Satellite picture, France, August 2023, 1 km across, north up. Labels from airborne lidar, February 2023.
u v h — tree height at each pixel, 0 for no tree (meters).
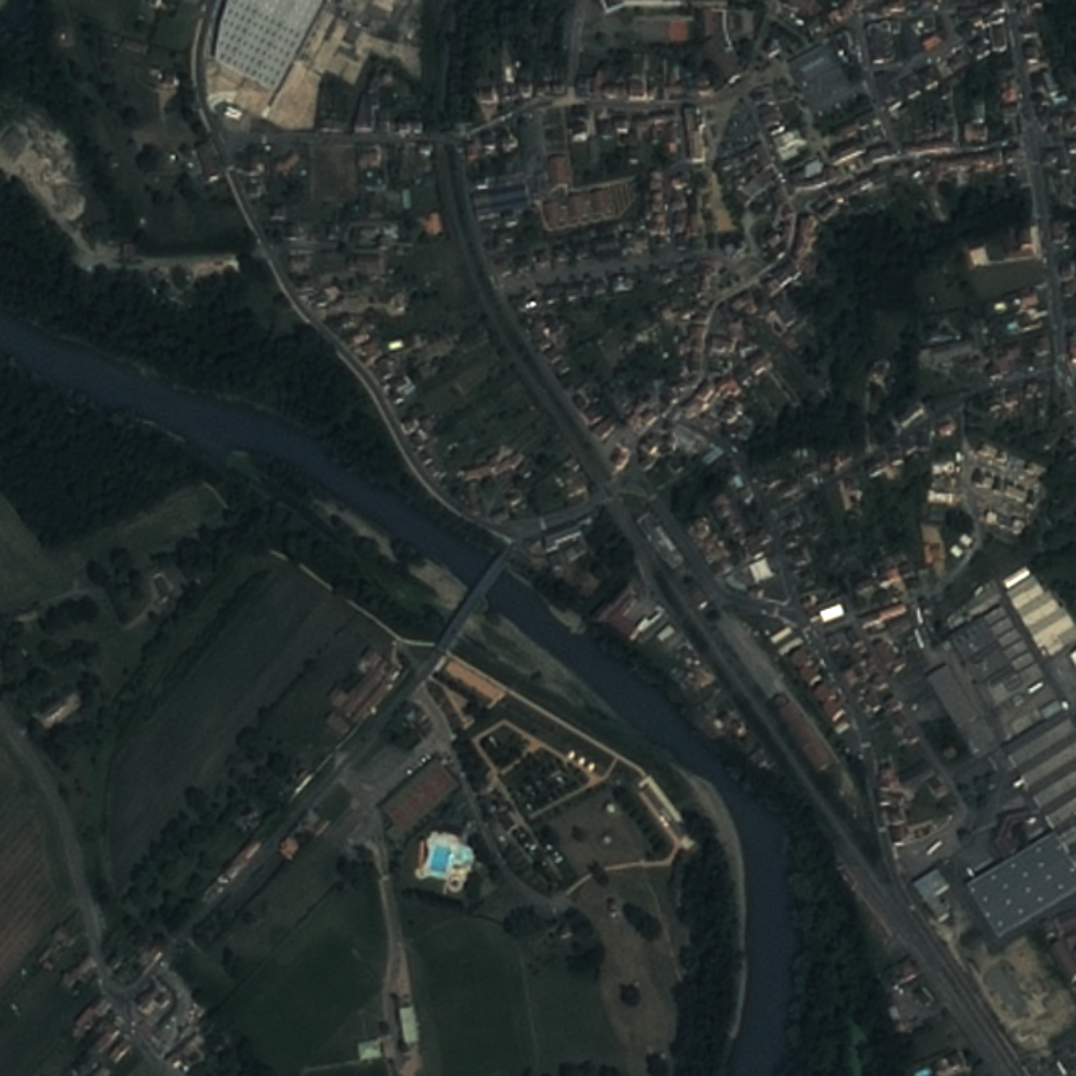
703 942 17
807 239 0
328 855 0
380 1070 0
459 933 0
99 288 17
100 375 0
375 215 0
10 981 0
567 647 0
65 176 0
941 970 0
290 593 0
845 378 18
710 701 0
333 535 0
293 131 0
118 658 0
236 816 7
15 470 22
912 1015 0
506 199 0
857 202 10
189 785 0
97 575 17
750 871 0
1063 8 7
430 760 0
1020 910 0
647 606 0
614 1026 0
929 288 0
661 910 0
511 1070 0
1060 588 6
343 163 0
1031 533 10
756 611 0
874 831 0
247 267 15
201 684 0
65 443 18
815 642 0
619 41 7
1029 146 0
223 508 0
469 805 0
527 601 0
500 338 13
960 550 0
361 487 0
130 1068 0
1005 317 0
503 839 0
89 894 0
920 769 0
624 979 0
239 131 0
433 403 0
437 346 0
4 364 11
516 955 0
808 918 19
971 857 0
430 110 7
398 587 0
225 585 0
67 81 15
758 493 0
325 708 0
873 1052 18
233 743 0
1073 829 0
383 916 0
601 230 8
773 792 24
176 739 0
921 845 0
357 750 0
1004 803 0
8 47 16
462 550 0
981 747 0
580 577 0
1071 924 0
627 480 0
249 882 0
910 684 0
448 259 0
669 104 0
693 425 0
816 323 0
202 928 6
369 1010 0
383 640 0
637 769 0
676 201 0
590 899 0
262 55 0
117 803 0
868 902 0
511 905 0
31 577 0
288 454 0
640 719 0
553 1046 0
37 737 16
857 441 13
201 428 0
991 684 0
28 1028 0
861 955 10
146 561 0
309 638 0
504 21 17
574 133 0
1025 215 17
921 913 0
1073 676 0
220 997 0
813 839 18
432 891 0
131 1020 0
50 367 0
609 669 0
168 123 0
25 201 8
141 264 0
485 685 0
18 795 0
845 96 0
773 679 0
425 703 0
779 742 0
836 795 0
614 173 7
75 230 0
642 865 0
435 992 0
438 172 6
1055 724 0
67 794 7
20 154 0
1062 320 0
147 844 0
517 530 0
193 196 11
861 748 0
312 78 0
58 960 0
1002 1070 0
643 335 0
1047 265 0
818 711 0
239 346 22
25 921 0
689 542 0
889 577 0
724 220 0
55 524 19
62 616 15
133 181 0
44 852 0
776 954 0
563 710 0
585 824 0
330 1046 0
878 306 16
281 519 19
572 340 5
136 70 0
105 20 0
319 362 19
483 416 0
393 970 0
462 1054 0
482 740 0
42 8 13
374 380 0
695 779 0
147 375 0
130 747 0
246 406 0
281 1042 0
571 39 0
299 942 0
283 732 0
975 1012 0
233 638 0
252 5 0
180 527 0
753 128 0
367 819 0
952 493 0
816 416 16
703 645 0
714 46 0
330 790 0
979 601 0
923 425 0
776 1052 0
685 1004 22
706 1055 27
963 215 10
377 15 0
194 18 0
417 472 0
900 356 6
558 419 0
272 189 8
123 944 0
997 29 0
